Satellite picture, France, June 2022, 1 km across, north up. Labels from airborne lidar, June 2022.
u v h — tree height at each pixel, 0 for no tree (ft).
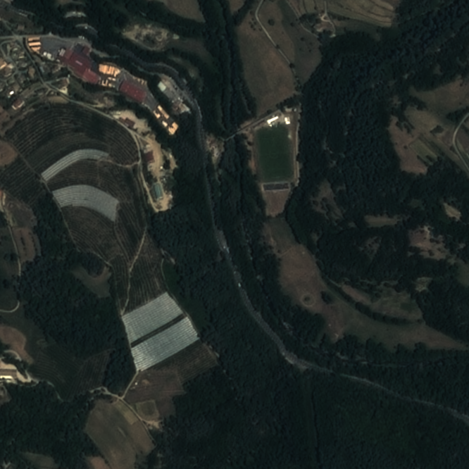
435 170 26
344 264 50
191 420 44
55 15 88
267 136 0
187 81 27
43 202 34
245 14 35
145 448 0
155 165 0
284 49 0
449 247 44
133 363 48
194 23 73
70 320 20
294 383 35
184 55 53
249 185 66
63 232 41
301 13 0
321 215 31
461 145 0
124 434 0
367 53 43
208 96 57
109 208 0
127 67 49
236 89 60
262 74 0
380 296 27
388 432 57
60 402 46
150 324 0
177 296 0
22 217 0
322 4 0
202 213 72
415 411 26
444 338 0
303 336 77
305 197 35
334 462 82
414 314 0
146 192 26
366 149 73
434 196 74
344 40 40
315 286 0
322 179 55
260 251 39
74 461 25
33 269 63
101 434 0
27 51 27
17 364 44
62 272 55
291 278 0
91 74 0
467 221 57
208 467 54
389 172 36
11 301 0
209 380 69
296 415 44
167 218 78
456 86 0
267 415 96
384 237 24
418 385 59
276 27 0
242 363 80
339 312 0
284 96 0
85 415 18
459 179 41
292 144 0
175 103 0
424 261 43
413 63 95
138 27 0
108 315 39
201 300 59
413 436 43
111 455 0
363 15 0
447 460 74
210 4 89
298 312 45
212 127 59
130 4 52
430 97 0
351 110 72
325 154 38
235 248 80
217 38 49
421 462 44
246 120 45
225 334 81
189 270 69
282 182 0
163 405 0
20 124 28
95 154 0
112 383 37
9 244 0
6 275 0
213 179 48
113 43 80
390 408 54
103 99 0
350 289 0
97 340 81
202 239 73
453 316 55
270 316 66
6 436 39
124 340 57
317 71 45
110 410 0
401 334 0
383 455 81
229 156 71
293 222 76
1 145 0
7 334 0
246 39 0
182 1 0
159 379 0
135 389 0
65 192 0
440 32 98
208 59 0
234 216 96
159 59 55
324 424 48
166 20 41
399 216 18
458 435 63
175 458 58
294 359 0
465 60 38
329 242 43
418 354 69
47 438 44
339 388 45
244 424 43
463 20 115
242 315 73
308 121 67
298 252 0
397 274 64
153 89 38
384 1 0
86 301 32
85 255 45
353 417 64
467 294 59
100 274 35
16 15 0
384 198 25
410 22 62
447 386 69
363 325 0
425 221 48
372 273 49
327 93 59
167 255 63
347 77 34
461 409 67
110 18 64
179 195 34
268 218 23
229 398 39
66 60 0
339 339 0
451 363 43
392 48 41
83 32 54
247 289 53
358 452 88
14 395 39
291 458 51
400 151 0
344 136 48
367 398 55
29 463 42
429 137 0
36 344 0
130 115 0
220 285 53
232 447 52
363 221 59
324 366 60
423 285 0
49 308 42
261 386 84
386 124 48
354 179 79
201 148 47
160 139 49
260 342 71
